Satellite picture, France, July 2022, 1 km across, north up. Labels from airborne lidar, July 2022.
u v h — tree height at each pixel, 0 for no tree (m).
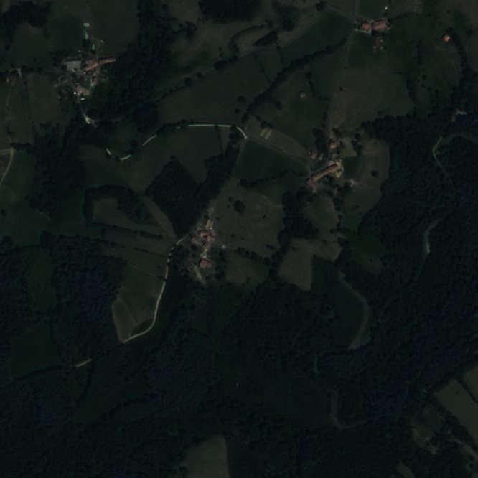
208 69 0
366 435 9
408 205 10
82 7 0
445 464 17
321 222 0
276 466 28
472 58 0
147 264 0
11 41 8
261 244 0
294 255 0
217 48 0
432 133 17
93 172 0
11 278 29
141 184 0
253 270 0
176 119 0
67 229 0
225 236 0
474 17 0
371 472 7
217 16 9
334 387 18
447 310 33
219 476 0
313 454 25
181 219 16
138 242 0
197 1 0
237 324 15
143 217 12
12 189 0
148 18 24
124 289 0
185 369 24
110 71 8
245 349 31
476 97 18
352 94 0
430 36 0
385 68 0
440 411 29
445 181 16
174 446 17
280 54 6
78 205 0
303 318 17
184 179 10
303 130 0
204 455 0
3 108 0
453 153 18
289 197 10
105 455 30
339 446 10
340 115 0
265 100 18
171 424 16
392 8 0
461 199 26
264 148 0
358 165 0
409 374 24
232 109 0
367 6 0
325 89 0
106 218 0
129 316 0
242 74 0
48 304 0
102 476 25
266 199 0
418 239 23
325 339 26
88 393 26
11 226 0
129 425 17
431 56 0
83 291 31
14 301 25
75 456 25
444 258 25
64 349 19
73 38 0
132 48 10
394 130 26
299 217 16
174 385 25
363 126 9
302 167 0
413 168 18
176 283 8
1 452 10
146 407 23
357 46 0
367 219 15
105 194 20
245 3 20
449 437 7
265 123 13
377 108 0
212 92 0
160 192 10
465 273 23
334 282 6
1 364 28
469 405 0
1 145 0
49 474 19
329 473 6
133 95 24
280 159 0
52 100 0
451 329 34
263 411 7
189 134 0
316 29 0
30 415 17
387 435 21
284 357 25
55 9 0
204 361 22
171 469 8
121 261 14
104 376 24
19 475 9
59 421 26
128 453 25
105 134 19
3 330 23
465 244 19
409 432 23
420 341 32
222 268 8
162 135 14
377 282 18
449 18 0
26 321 17
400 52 0
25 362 0
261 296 13
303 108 0
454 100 21
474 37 0
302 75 0
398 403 31
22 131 0
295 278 0
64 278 24
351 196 0
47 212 11
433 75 0
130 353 7
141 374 6
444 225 20
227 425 26
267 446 34
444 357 30
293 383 6
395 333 26
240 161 0
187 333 21
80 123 18
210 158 6
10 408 24
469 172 18
